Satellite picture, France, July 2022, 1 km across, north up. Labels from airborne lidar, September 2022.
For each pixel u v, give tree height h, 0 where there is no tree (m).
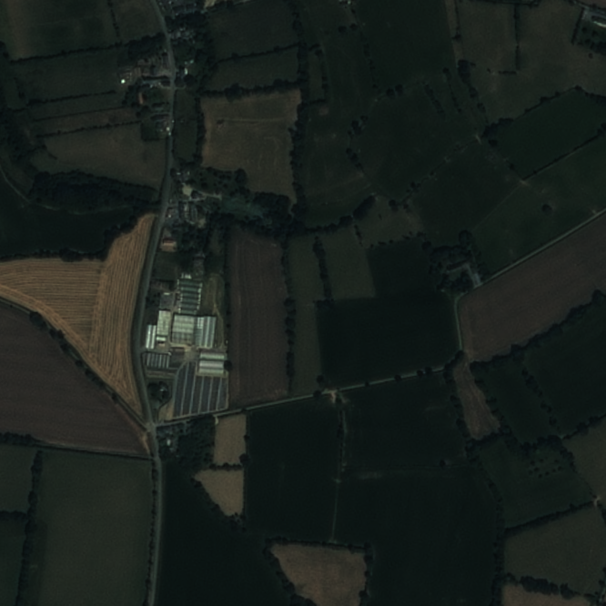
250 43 0
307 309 0
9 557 0
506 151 0
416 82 0
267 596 0
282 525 0
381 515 0
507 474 0
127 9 0
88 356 0
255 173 0
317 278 0
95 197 25
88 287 0
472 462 21
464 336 0
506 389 0
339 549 7
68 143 0
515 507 0
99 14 0
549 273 0
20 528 0
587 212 0
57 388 0
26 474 0
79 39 0
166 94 0
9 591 0
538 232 0
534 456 14
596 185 0
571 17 0
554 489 0
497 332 0
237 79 0
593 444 0
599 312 0
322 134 0
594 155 0
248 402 0
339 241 0
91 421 0
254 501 0
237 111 0
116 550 0
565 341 0
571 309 0
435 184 0
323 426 0
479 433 0
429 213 0
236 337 0
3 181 0
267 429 0
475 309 0
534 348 12
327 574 0
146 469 0
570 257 0
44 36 0
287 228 12
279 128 0
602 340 0
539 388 15
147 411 0
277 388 0
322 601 0
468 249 11
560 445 17
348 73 0
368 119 11
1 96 10
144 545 0
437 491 0
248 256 0
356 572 0
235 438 0
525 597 0
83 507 0
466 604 0
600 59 0
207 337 0
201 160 14
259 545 0
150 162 0
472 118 0
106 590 0
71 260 13
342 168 0
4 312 0
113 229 12
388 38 0
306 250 0
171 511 0
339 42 0
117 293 0
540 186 0
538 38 0
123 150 0
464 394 0
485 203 0
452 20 0
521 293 0
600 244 0
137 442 0
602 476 0
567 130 0
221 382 0
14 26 0
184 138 0
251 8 0
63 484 0
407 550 0
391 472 0
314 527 0
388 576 0
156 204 6
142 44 12
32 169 7
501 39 0
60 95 0
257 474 0
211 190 0
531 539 0
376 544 0
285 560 0
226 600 0
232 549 0
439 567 0
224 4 12
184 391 0
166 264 0
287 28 0
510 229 0
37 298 0
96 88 0
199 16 17
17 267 0
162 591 0
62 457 0
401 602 0
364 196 0
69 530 0
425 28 0
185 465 7
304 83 17
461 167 0
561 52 0
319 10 0
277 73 0
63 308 0
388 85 0
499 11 0
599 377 0
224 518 7
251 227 15
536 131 0
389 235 0
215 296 0
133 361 0
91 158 0
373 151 0
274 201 14
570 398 0
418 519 0
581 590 0
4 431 0
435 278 12
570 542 0
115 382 0
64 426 0
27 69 0
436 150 0
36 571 0
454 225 0
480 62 0
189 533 0
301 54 16
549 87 0
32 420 0
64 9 0
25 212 0
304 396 0
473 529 0
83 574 0
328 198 0
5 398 0
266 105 0
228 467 14
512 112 0
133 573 0
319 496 0
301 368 0
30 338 0
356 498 0
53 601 0
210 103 0
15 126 7
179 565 0
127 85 0
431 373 18
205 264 10
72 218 0
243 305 0
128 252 0
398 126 0
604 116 0
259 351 0
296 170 15
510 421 0
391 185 0
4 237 0
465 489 0
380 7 0
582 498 0
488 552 0
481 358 0
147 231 0
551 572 0
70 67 0
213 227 7
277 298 0
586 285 0
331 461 0
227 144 0
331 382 0
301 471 0
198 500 0
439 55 0
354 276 0
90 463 0
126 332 0
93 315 0
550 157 0
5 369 0
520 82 0
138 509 0
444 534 0
